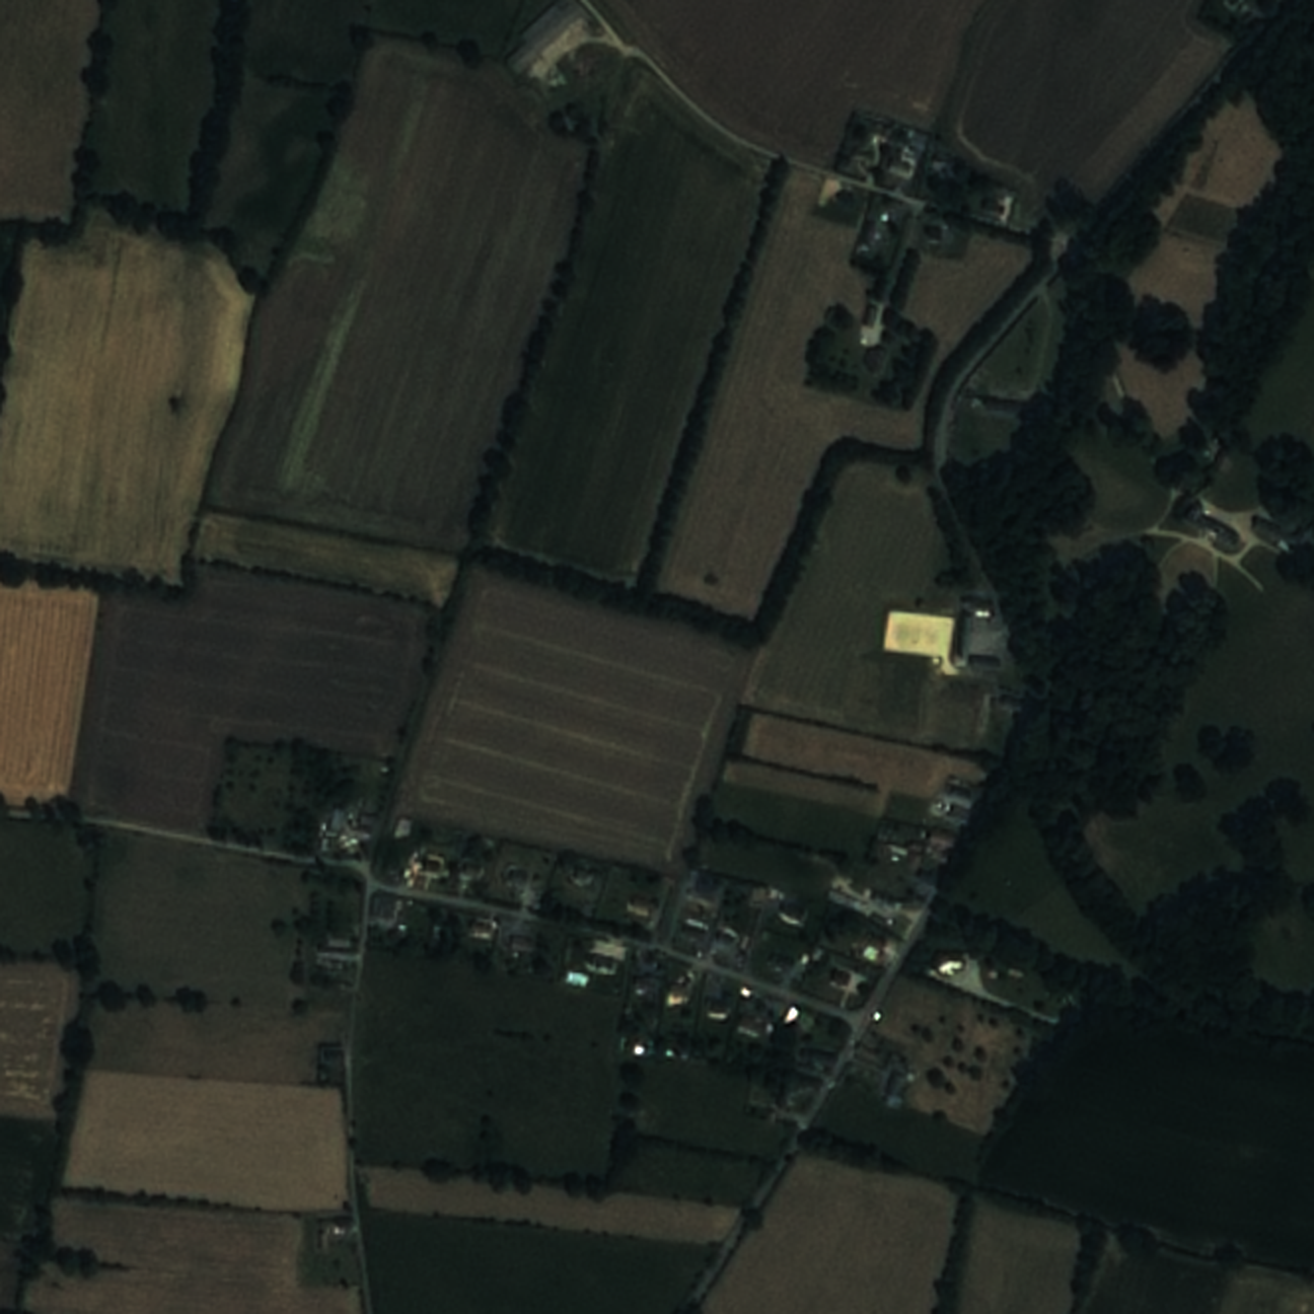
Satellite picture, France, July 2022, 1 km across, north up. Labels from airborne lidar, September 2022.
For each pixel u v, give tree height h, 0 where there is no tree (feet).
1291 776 0
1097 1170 0
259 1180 0
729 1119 0
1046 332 0
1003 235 32
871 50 0
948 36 0
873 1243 0
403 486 0
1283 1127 0
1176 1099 0
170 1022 0
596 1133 0
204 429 0
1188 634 98
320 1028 0
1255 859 80
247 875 0
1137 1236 51
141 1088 0
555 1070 0
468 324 0
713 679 0
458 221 0
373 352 0
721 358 45
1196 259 0
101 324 0
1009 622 50
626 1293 0
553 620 0
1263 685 0
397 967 0
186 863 0
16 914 0
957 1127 0
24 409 0
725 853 0
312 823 26
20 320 0
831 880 0
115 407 0
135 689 0
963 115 0
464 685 0
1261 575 0
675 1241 0
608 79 0
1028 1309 0
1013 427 0
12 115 0
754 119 0
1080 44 0
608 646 0
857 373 0
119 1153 0
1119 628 83
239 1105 0
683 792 0
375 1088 0
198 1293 0
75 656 0
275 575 24
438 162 0
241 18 73
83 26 0
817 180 0
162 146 0
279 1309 0
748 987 0
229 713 0
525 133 0
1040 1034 24
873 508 0
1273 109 76
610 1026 0
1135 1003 39
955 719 0
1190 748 0
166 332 0
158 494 0
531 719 0
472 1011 0
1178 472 79
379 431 0
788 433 0
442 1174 39
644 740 0
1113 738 77
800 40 0
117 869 0
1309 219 85
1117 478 0
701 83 0
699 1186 0
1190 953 84
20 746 0
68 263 0
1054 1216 26
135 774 0
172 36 0
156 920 0
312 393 0
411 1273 0
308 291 0
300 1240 0
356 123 0
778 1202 0
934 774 0
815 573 0
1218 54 0
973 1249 0
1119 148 0
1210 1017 69
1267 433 0
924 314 0
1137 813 78
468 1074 0
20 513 0
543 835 0
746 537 0
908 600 0
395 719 0
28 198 0
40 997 0
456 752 0
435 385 0
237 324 0
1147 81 0
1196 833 0
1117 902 63
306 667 0
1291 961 0
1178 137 54
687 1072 0
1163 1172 0
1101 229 56
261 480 0
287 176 0
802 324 0
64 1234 0
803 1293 0
